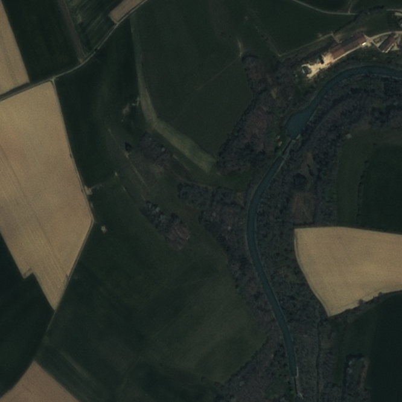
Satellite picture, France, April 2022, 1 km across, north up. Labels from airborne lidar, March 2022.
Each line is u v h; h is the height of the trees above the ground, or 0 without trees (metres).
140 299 0
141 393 0
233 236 27
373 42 0
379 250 0
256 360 18
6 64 0
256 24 0
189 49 0
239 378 17
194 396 0
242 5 0
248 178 0
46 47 0
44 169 0
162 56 0
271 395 24
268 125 28
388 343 0
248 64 22
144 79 0
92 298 0
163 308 0
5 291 0
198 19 0
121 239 0
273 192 20
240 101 0
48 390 0
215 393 0
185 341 0
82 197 0
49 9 0
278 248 15
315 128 21
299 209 0
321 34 0
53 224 0
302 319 17
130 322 0
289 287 22
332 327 7
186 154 0
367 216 0
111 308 0
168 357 0
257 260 0
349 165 0
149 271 0
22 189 0
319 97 0
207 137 0
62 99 0
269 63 0
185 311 0
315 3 0
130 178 0
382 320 0
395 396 0
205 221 19
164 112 0
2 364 0
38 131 0
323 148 26
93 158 0
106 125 0
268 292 0
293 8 0
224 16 0
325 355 0
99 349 0
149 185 0
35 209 0
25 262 0
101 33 0
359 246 0
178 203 0
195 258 0
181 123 0
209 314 0
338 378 0
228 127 0
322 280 0
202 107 0
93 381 0
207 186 0
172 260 0
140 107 0
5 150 0
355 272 0
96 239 0
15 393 0
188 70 0
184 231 30
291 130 0
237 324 0
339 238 0
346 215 0
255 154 29
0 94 0
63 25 0
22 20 0
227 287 0
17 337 0
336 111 31
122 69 0
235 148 23
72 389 0
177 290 0
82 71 0
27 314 0
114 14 0
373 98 28
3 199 0
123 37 0
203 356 0
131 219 0
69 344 0
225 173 26
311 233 0
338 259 0
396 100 26
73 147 0
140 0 0
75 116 0
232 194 9
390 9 0
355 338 0
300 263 0
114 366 0
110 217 0
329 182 20
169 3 0
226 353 0
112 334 0
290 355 0
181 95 0
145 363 0
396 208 0
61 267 0
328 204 27
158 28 0
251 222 0
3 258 0
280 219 9
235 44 0
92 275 0
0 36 0
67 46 0
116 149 0
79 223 0
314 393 18
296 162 21
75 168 0
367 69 0
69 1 0
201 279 0
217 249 0
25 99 0
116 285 0
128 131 0
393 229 0
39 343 0
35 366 0
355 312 9
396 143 0
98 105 0
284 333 0
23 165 0
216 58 0
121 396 0
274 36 0
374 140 0
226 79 0
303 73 0
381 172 0
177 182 0
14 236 0
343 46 0
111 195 0
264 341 0
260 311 30
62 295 0
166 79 0
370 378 0
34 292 0
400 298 0
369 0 0
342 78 0
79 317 0
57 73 0
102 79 0
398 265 0
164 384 0
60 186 0
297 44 0
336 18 0
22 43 0
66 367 0
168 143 0
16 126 0
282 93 0
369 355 0
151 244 0
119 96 0
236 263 18
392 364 0
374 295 0
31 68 0
